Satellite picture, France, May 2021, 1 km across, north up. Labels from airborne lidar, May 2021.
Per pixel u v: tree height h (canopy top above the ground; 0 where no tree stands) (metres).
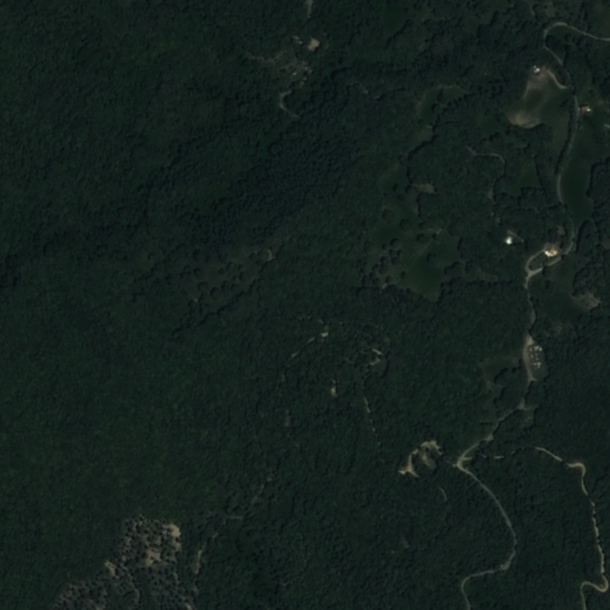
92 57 14
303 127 15
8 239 20
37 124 9
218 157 6
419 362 11
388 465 14
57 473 18
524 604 7
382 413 13
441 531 9
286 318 13
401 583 10
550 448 10
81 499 16
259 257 11
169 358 15
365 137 15
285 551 11
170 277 12
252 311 15
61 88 13
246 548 20
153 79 8
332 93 17
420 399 18
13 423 16
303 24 14
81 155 6
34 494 10
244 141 8
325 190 6
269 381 9
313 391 14
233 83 19
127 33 12
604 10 0
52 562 15
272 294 15
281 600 11
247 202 13
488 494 11
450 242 0
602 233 15
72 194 17
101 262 15
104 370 10
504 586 7
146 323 19
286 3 14
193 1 11
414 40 17
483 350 13
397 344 13
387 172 15
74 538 17
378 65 22
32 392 13
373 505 12
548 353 9
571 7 6
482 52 16
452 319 11
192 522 12
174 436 9
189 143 20
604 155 0
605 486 13
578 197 0
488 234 17
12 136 7
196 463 13
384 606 12
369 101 18
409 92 16
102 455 14
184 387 12
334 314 12
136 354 15
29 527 10
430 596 20
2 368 15
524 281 14
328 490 14
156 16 10
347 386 12
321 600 11
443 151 15
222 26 17
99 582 15
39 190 14
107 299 18
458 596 11
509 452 13
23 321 18
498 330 11
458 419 12
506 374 18
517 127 11
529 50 19
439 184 17
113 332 12
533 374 0
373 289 15
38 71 12
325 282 18
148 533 18
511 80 17
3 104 11
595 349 10
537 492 13
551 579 10
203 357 11
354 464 17
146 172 14
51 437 10
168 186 10
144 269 7
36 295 14
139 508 20
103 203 9
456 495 7
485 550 11
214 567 10
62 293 16
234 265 12
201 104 17
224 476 14
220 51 17
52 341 11
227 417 8
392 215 12
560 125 0
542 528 13
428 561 15
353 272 18
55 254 15
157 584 14
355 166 12
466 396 11
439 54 15
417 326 11
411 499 11
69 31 9
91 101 11
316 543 12
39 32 7
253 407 8
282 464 14
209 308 14
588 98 0
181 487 14
